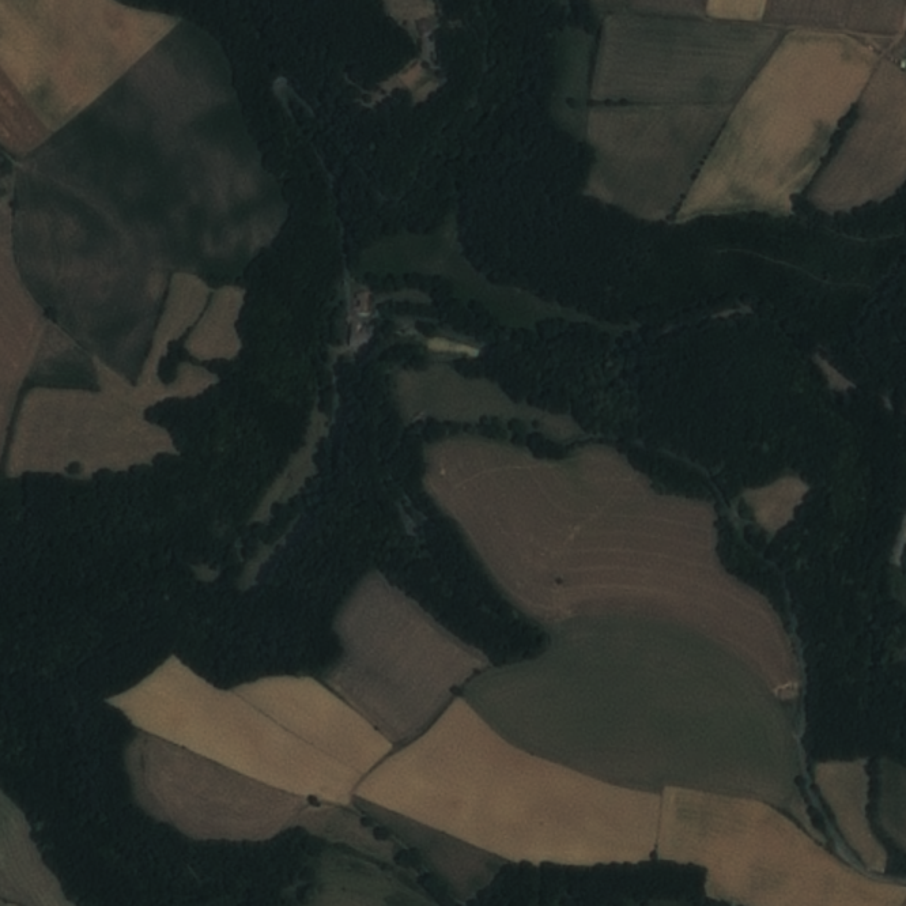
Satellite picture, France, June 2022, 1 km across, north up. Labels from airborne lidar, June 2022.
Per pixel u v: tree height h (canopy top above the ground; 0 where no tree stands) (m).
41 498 22
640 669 0
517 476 0
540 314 0
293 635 23
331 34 24
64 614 15
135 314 0
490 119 26
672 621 0
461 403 0
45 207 0
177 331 0
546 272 23
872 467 29
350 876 0
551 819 0
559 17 19
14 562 23
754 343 21
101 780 22
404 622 0
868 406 24
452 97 19
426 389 0
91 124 0
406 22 6
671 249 6
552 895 17
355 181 28
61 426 0
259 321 17
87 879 18
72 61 0
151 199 0
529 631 19
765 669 0
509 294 0
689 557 0
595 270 24
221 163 0
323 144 17
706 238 8
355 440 30
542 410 12
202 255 0
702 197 0
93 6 0
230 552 19
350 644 0
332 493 28
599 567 0
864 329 16
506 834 0
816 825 14
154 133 0
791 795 0
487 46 7
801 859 0
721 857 0
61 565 18
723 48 0
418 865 15
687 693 0
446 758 0
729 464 24
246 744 0
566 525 0
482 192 17
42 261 0
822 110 0
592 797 0
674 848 0
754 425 26
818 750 13
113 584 11
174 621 11
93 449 0
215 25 16
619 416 23
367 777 0
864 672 23
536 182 16
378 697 0
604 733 0
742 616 0
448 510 0
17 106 0
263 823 0
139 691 0
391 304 17
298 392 15
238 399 16
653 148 0
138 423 0
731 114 0
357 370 19
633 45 0
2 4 0
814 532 24
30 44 0
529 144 26
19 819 0
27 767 16
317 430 0
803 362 21
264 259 15
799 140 0
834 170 0
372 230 25
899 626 23
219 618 25
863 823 0
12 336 0
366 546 13
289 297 15
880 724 21
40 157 0
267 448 14
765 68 0
